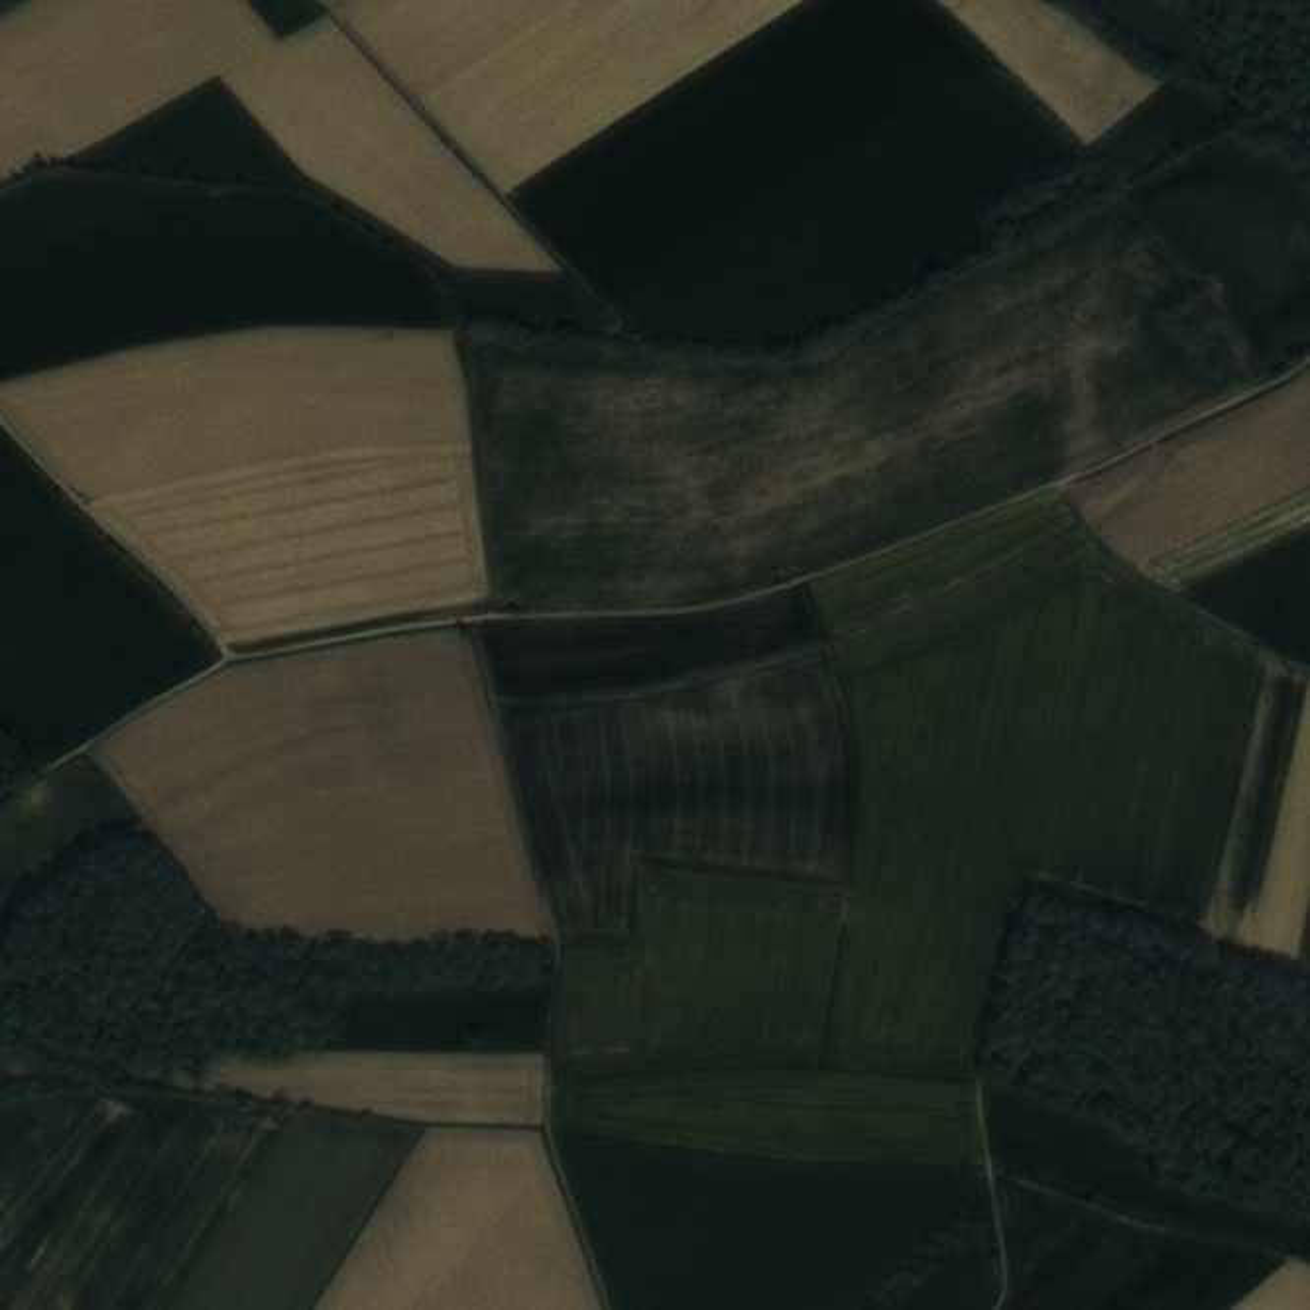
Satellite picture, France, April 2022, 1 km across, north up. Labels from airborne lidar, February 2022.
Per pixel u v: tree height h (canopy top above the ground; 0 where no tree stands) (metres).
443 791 0
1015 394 0
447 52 0
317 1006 28
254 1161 0
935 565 0
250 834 0
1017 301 0
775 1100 0
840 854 0
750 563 0
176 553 0
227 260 0
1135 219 0
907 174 0
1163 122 0
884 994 0
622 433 0
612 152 0
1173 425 0
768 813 0
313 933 0
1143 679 0
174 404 0
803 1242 0
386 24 0
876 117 0
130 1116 0
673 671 0
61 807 0
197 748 0
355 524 0
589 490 0
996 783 0
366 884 0
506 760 0
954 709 0
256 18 0
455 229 0
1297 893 0
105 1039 27
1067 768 0
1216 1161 23
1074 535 0
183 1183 0
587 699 0
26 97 0
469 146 0
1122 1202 0
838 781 0
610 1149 0
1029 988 27
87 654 0
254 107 0
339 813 0
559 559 0
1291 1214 22
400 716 0
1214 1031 30
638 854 0
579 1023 0
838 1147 0
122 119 0
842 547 0
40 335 0
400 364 0
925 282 12
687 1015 0
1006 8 0
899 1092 0
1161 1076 29
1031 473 0
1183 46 0
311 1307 0
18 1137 0
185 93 0
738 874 0
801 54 0
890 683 0
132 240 0
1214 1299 0
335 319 0
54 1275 0
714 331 0
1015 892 0
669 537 0
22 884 0
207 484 0
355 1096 0
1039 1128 0
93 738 0
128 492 0
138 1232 0
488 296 0
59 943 31
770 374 0
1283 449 0
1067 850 0
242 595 0
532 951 19
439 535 0
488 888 0
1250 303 0
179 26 0
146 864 27
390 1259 0
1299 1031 32
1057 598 0
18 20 0
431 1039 0
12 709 0
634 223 0
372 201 0
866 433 0
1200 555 0
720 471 0
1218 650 0
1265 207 0
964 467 0
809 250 0
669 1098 0
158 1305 0
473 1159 0
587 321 0
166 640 0
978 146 0
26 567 0
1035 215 15
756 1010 0
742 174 0
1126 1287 0
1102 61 0
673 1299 0
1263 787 0
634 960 0
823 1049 0
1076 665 0
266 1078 0
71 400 0
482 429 0
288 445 0
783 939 0
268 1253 0
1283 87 28
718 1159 0
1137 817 0
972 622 0
